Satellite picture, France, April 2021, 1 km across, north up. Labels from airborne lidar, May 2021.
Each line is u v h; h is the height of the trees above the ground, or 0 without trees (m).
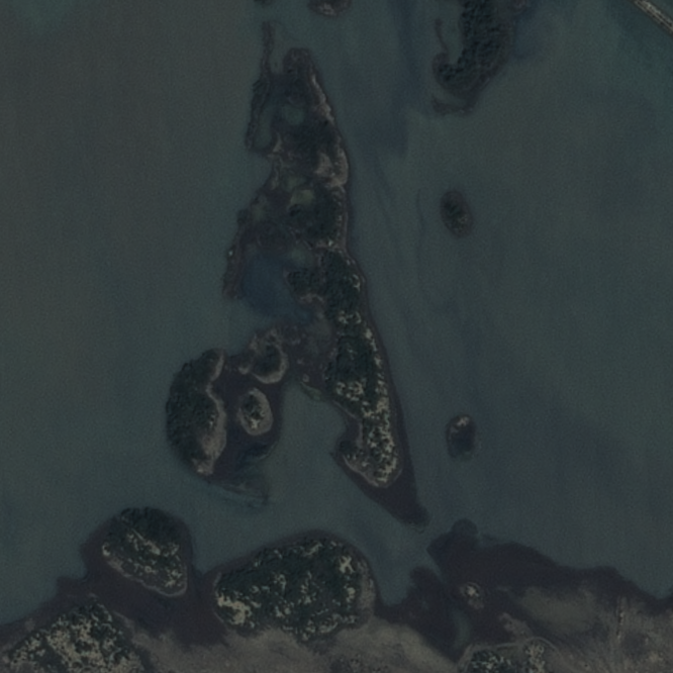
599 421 0
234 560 0
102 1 0
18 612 0
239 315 0
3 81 0
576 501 0
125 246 0
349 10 0
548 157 0
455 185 0
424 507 0
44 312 0
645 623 0
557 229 0
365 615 0
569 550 0
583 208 0
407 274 0
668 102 0
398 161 0
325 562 5
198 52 0
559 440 0
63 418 0
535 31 0
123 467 0
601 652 0
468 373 0
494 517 0
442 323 0
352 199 0
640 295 0
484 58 7
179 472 0
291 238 0
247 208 0
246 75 0
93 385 0
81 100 0
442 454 0
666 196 0
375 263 0
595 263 0
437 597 0
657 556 0
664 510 0
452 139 0
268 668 0
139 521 7
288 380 0
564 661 0
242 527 0
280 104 0
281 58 0
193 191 0
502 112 0
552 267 0
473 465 0
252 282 0
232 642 0
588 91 0
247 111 0
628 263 0
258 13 0
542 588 0
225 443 0
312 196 0
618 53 0
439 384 0
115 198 0
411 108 0
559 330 0
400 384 0
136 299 0
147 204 0
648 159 0
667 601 0
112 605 0
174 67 0
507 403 0
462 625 0
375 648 0
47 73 0
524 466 0
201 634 0
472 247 0
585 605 0
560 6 0
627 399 0
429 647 0
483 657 0
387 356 0
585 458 0
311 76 0
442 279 0
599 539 0
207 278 0
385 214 0
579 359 0
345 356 7
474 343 0
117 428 0
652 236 0
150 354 0
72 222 0
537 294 0
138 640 0
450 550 0
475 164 0
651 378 0
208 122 0
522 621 0
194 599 0
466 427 0
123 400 0
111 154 0
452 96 0
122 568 0
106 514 0
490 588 0
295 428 0
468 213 0
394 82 0
